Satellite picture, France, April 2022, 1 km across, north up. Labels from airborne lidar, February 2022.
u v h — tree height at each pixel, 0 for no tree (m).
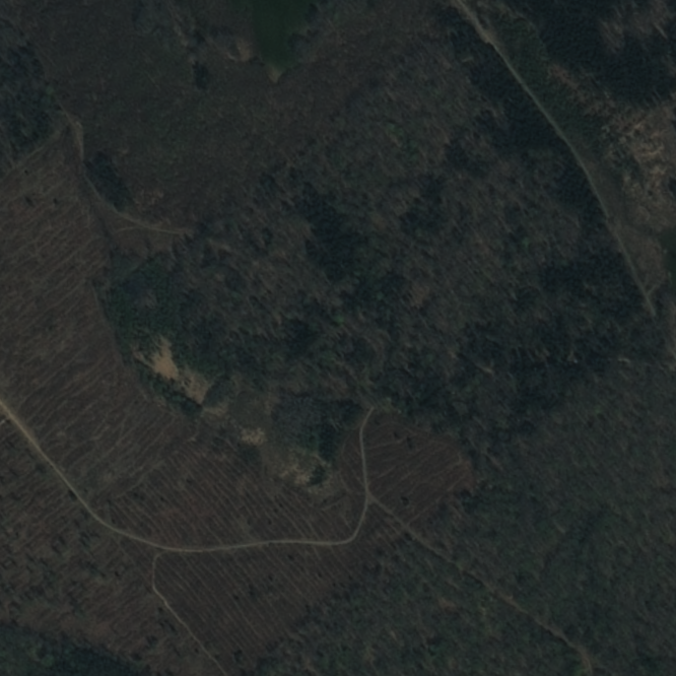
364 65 10
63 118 29
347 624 27
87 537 0
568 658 25
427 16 9
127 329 18
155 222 11
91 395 0
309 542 0
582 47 30
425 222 28
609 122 5
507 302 28
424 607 25
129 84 8
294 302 29
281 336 24
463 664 30
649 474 25
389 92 30
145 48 11
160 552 0
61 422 0
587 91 10
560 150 30
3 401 0
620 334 31
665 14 24
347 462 0
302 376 30
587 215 32
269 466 0
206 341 21
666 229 0
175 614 0
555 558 10
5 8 32
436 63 31
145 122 7
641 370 27
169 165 9
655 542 29
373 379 27
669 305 29
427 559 29
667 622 31
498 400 31
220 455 13
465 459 0
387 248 27
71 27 10
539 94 12
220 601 0
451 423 34
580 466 27
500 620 26
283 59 0
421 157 28
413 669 24
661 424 27
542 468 27
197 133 9
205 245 29
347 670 24
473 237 30
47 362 0
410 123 27
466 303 28
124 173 8
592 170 0
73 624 0
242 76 12
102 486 0
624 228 0
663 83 27
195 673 0
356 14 25
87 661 24
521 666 32
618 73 28
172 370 0
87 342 0
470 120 30
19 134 26
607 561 29
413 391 31
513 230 27
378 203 32
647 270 0
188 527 8
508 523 27
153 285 11
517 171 30
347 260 24
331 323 27
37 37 12
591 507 28
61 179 0
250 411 0
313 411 22
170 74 12
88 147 8
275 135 13
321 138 8
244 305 26
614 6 29
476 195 30
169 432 0
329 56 10
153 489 0
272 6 0
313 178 29
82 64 8
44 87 29
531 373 26
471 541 30
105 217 0
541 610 25
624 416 28
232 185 13
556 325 31
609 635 25
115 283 24
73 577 0
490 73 28
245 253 28
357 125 25
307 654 28
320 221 28
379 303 28
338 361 10
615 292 25
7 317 0
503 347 31
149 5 32
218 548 0
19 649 30
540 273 31
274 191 23
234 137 13
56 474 0
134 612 0
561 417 32
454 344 28
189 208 9
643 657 26
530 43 8
